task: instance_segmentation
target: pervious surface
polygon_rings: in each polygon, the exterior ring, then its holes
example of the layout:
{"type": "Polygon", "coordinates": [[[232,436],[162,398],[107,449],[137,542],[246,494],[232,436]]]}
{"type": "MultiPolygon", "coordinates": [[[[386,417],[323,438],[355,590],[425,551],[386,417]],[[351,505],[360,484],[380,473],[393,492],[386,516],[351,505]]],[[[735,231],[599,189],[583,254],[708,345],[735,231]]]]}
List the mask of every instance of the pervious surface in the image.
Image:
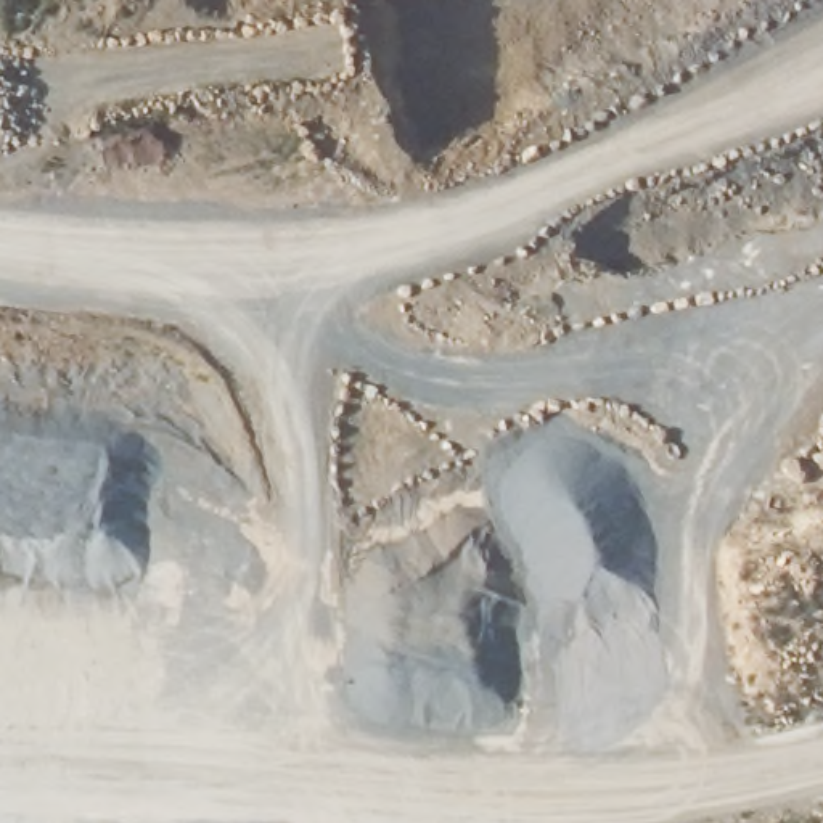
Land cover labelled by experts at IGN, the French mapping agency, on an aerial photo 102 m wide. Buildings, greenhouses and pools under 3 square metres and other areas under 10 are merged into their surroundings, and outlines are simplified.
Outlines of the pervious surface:
{"type": "Polygon", "coordinates": [[[58,10],[35,32],[6,32],[6,0],[0,0],[0,823],[823,823],[823,0],[84,0],[77,10],[58,10]],[[96,129],[96,106],[103,106],[109,119],[167,113],[167,125],[180,116],[196,119],[196,113],[206,119],[215,113],[225,113],[231,119],[244,116],[254,129],[293,132],[299,138],[302,158],[318,154],[328,158],[328,164],[325,174],[312,183],[270,193],[248,174],[235,174],[235,167],[251,164],[251,154],[228,154],[222,164],[186,164],[180,154],[164,158],[164,145],[154,135],[135,148],[122,135],[93,138],[90,132],[96,129]]]}

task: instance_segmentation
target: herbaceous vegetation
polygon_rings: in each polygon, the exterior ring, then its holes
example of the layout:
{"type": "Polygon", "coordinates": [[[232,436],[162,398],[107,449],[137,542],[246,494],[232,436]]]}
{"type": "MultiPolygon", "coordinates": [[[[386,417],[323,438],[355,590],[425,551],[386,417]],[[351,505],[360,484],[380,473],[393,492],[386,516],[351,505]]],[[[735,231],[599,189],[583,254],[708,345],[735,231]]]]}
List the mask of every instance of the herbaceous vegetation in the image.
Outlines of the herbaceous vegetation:
{"type": "Polygon", "coordinates": [[[77,10],[84,0],[6,0],[6,32],[35,32],[58,10],[77,10]]]}
{"type": "Polygon", "coordinates": [[[215,113],[206,119],[196,113],[196,119],[180,116],[167,125],[167,113],[109,119],[103,106],[96,106],[96,129],[90,132],[93,138],[122,135],[135,148],[154,135],[164,145],[164,158],[180,154],[186,164],[222,164],[228,154],[251,154],[251,164],[235,167],[235,174],[248,174],[270,193],[312,183],[325,174],[328,164],[328,158],[318,154],[302,158],[299,138],[293,132],[254,129],[244,116],[231,119],[225,113],[215,113]]]}

